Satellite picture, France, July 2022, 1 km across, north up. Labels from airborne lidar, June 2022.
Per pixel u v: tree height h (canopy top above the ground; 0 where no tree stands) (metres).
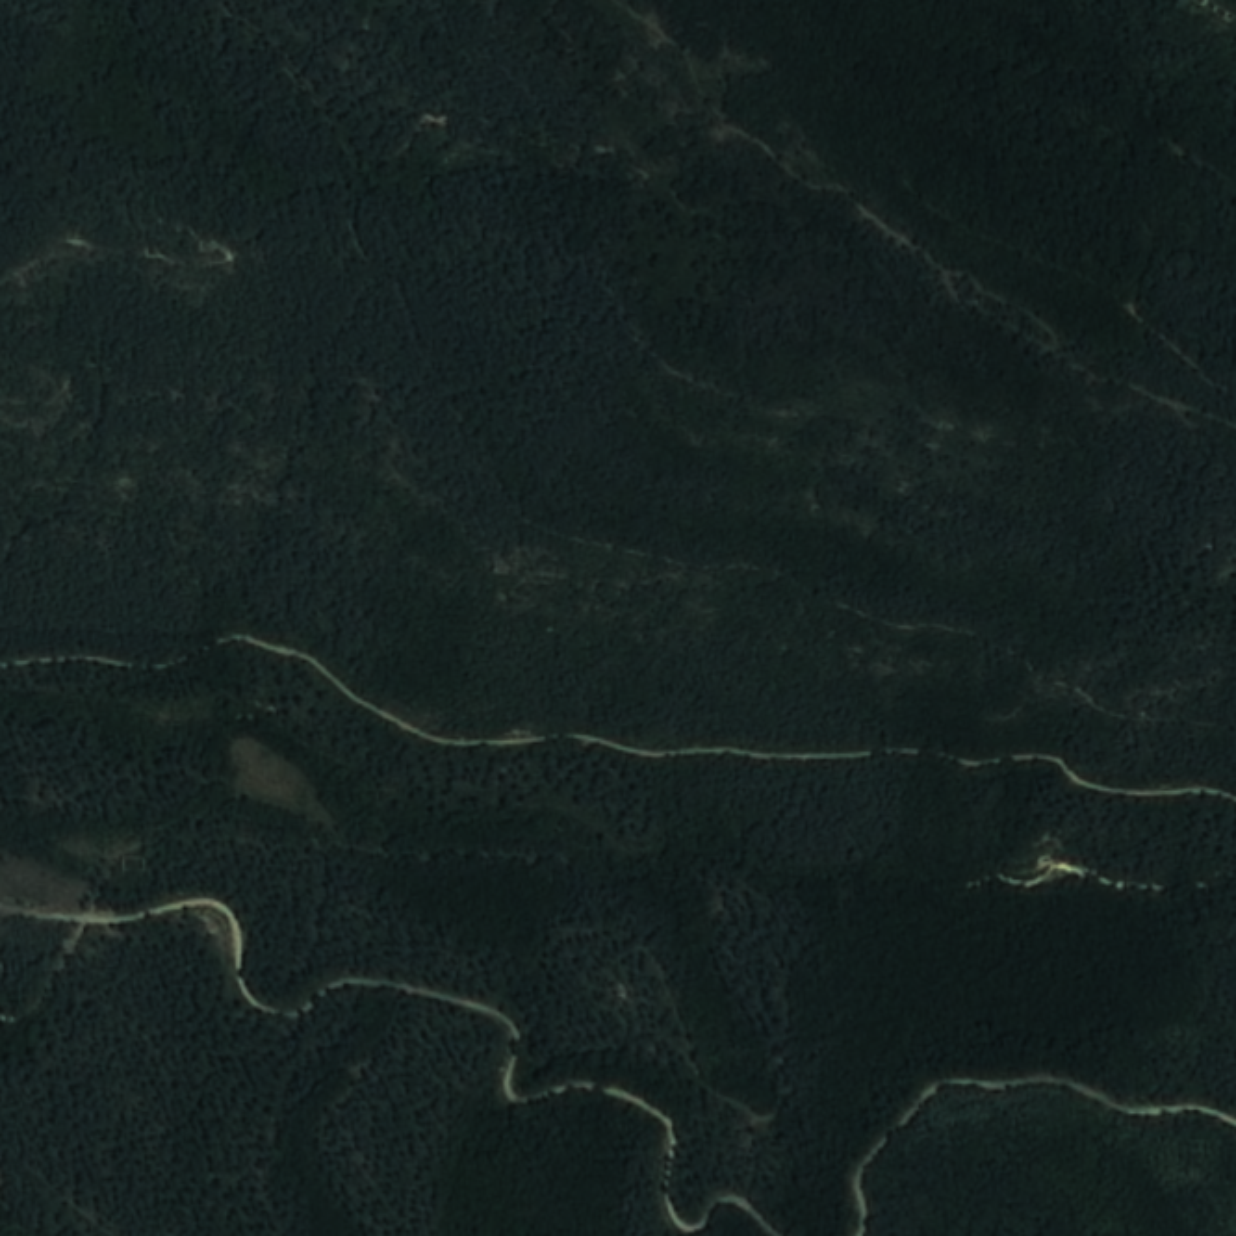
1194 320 18
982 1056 14
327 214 14
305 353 20
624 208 8
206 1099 20
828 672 8
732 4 10
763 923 20
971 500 9
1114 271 7
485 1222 8
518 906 13
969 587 10
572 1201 6
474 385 9
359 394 13
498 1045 15
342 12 9
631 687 9
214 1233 22
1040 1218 6
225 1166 21
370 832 13
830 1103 6
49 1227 10
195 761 21
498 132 11
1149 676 8
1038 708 10
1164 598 19
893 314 9
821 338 8
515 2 11
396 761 9
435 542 9
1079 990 9
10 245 12
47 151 12
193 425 11
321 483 10
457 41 6
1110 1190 8
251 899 16
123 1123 14
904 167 6
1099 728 9
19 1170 11
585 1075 15
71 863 6
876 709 9
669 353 9
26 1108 15
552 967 18
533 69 10
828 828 15
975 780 11
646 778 14
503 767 18
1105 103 15
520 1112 17
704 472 13
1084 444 12
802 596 10
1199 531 14
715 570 8
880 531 6
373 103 12
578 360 14
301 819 13
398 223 9
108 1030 15
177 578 9
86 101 9
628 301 7
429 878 15
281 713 8
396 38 10
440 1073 18
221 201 9
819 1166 6
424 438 13
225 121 15
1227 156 12
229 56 16
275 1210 6
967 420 8
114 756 10
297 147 17
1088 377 11
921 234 6
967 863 12
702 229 9
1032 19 21
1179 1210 12
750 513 7
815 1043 6
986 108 16
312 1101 12
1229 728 7
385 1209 16
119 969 15
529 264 11
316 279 17
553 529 11
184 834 17
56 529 8
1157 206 12
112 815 16
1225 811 10
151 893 11
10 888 0
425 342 13
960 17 15
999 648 9
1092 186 15
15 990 14
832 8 15
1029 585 11
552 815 8
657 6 6
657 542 11
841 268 7
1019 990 9
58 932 7
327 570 16
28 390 7
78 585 7
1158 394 11
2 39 9
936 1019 9
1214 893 14
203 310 7
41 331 12
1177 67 9
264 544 8
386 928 22
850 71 15
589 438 12
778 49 10
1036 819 7
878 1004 9
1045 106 12
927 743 7
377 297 13
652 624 9
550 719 11
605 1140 16
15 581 15
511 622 9
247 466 7
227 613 10
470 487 14
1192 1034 7
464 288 14
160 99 8
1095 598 10
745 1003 22
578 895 14
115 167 8
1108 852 7
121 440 10
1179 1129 9
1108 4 20
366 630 15
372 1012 14
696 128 9
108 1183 18
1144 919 8
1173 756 8
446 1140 17
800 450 7
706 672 8
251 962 16
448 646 6
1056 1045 15
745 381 6
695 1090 19
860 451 7
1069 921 9
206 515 7
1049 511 10
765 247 9
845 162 8
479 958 19
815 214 6
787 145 7
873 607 11
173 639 18
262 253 7
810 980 6
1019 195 15
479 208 12
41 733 20
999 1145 10
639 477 11
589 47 12
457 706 9
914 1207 12
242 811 8
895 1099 16
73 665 16
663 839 9
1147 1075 6
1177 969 8
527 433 13
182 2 8
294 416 14
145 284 11
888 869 10
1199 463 12
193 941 16
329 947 18
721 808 8
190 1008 19
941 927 7
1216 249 8
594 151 8
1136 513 14
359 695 7
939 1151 12
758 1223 12
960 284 9
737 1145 8
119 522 8
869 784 14
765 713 7
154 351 13
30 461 9
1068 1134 10
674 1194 21
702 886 18
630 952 17
